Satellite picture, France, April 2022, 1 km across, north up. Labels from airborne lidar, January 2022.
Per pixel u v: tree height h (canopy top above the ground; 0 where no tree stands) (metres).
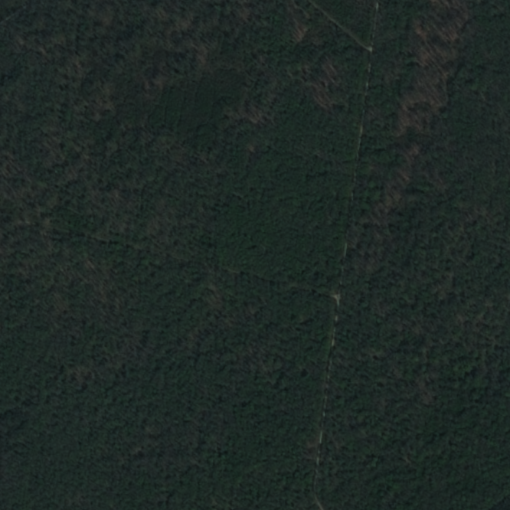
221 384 25
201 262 10
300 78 25
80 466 22
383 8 22
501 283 19
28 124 24
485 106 25
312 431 25
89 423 24
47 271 25
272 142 25
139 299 22
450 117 23
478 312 22
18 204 29
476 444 21
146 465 30
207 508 23
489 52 24
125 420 28
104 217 25
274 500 22
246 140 24
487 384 28
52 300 24
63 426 23
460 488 20
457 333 25
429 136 14
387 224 27
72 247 24
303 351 20
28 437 21
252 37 25
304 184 22
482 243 21
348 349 19
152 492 23
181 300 17
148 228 19
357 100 22
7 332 26
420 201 26
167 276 23
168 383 23
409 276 24
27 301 22
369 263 23
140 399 23
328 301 20
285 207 25
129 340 27
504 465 21
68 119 22
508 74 25
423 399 24
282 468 20
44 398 24
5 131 25
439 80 27
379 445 24
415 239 19
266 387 21
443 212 24
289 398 23
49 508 21
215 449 24
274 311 22
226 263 19
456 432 23
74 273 26
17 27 23
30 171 25
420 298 10
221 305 11
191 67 33
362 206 22
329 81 30
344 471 24
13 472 23
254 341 19
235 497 20
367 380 22
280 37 22
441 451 24
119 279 28
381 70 22
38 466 18
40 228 18
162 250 22
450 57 30
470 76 26
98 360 26
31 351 24
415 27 25
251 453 22
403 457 24
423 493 23
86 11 25
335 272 23
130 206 23
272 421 22
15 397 24
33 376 25
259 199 26
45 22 30
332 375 24
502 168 20
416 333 27
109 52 26
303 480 21
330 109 26
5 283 26
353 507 21
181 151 15
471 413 17
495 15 22
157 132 23
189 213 23
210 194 25
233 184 26
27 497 22
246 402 24
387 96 25
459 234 25
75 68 27
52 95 25
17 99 29
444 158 21
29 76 26
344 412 19
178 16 27
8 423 24
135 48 27
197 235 25
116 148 29
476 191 20
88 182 24
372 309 21
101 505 24
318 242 21
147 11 29
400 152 24
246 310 5
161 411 25
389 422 22
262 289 24
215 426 25
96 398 27
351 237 21
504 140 21
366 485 20
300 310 23
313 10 10
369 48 0
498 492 20
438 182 27
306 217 25
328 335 17
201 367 26
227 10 25
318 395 21
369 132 21
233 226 27
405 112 24
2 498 22
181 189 25
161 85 30
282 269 23
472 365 26
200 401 25
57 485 23
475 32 26
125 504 25
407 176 26
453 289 25
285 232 22
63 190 7
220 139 25
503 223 24
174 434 29
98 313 26
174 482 23
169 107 7
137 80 29
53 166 26
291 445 20
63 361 24
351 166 18
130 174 22
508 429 24
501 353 26
